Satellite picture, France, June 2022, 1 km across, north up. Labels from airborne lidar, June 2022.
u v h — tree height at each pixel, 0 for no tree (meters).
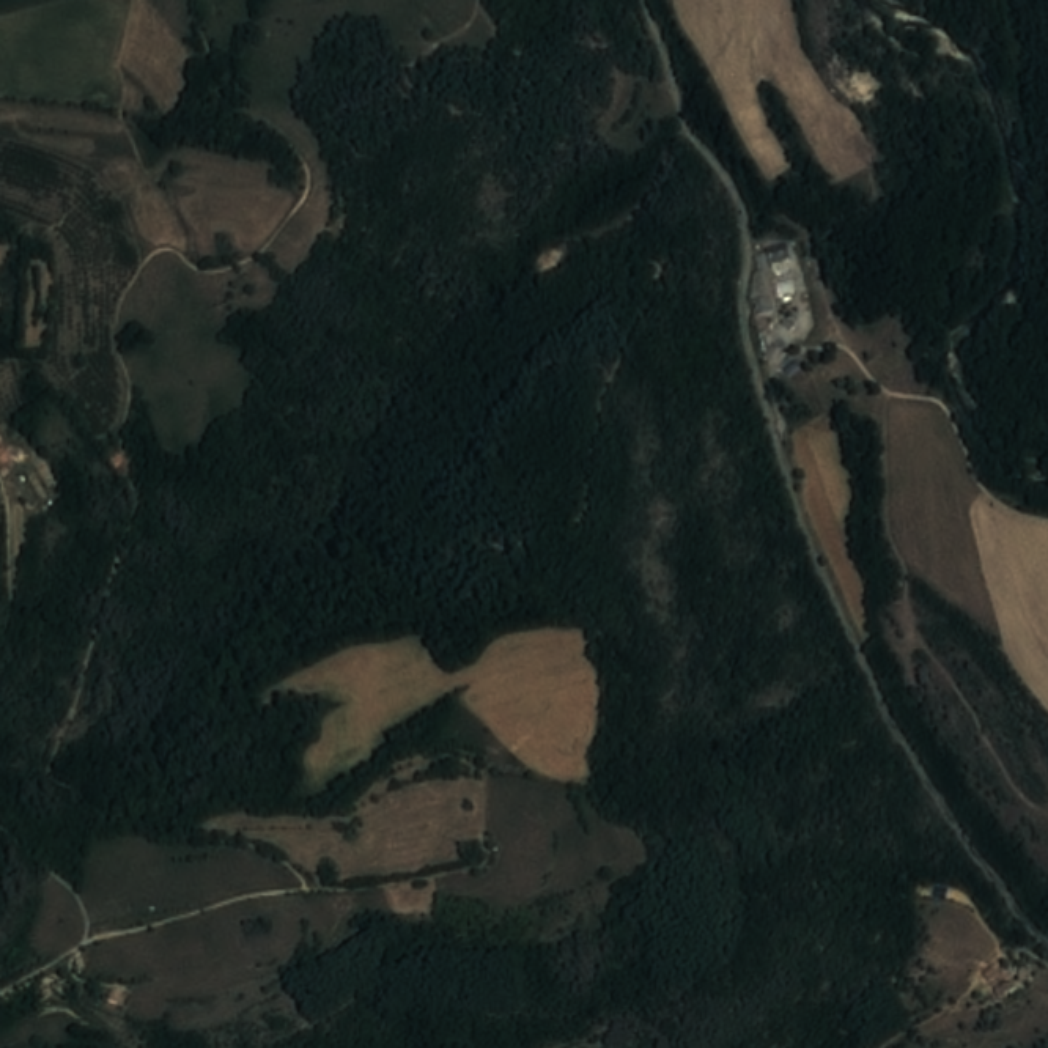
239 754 19
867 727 6
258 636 10
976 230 17
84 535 10
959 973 0
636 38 9
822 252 19
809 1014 8
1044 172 10
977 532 0
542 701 0
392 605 21
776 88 13
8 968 6
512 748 0
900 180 8
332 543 9
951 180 21
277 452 11
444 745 11
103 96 0
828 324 0
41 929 0
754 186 12
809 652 10
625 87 0
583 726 0
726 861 15
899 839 10
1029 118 17
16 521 0
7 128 0
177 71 0
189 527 19
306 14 0
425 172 12
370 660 0
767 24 0
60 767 15
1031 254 9
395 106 8
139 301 0
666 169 17
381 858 0
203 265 12
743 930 12
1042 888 7
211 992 0
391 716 0
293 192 7
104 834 14
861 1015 23
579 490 10
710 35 0
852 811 12
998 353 22
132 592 19
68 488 13
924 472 0
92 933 0
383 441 32
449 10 0
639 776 23
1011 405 25
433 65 15
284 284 11
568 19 17
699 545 17
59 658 9
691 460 13
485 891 0
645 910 21
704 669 17
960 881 12
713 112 21
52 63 0
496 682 0
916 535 0
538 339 19
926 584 6
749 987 6
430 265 19
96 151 0
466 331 31
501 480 19
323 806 15
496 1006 25
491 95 16
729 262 8
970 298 13
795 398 23
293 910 0
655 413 8
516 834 0
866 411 0
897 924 13
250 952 0
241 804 8
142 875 0
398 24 0
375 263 12
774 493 14
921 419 0
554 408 10
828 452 0
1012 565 0
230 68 14
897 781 10
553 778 0
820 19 0
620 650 17
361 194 14
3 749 12
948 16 19
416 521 19
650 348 19
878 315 24
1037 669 0
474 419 18
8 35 0
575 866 0
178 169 15
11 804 14
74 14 0
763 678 11
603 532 7
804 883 9
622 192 19
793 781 17
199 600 13
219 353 0
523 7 13
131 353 8
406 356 13
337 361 21
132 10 0
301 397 12
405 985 30
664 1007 10
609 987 16
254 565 6
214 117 13
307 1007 26
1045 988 0
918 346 18
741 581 10
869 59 11
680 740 12
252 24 12
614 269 16
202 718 24
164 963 0
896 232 24
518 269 7
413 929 11
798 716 15
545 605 12
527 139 22
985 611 0
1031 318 21
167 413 0
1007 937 10
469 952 13
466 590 24
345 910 0
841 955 9
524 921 11
